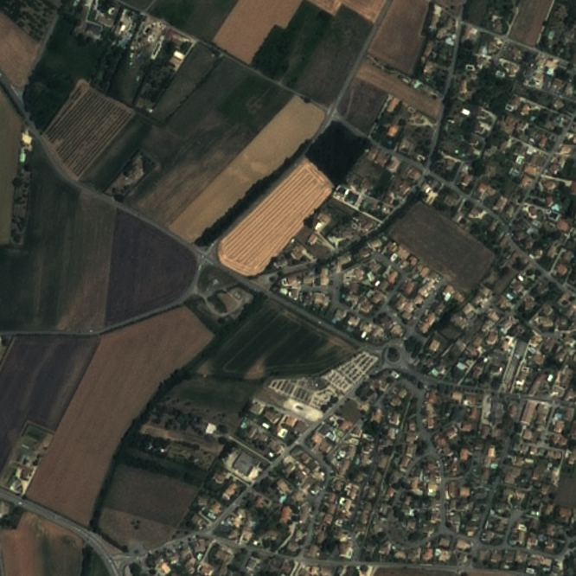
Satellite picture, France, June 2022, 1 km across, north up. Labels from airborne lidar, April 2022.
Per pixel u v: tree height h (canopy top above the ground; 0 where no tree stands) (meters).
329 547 14
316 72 0
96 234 0
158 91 6
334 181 7
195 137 0
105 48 8
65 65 0
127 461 7
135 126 0
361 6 0
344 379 0
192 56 0
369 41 0
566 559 6
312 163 8
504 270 8
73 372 0
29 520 0
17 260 0
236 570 14
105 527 0
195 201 0
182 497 0
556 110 6
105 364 0
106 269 0
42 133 5
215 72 0
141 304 0
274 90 0
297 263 8
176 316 0
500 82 9
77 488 0
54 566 0
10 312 0
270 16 0
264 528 6
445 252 0
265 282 0
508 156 9
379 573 0
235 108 0
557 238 15
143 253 0
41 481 0
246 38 0
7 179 0
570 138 0
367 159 0
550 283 6
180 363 0
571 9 8
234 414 0
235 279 0
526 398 0
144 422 12
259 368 0
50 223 0
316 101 0
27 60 0
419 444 10
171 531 0
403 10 0
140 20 8
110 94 9
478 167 14
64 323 0
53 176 0
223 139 0
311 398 0
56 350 0
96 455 0
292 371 0
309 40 0
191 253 0
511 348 0
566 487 0
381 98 0
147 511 0
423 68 10
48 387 0
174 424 15
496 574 0
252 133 0
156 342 0
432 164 6
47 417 0
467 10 6
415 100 0
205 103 0
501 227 14
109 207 0
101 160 0
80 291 0
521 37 0
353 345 0
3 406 0
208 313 0
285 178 0
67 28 0
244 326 0
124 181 0
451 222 0
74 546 0
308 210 0
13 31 0
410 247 0
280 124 0
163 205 0
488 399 0
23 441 0
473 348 0
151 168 11
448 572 0
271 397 0
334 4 0
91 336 6
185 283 0
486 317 6
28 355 0
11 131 0
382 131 11
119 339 0
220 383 0
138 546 0
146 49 0
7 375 0
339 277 0
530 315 6
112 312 0
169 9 0
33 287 0
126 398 0
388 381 10
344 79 0
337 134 5
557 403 0
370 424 9
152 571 8
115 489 0
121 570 0
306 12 0
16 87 0
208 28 0
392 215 6
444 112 8
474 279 0
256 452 0
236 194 0
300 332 0
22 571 0
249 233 0
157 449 12
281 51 7
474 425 0
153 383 0
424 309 0
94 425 0
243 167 0
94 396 0
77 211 0
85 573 12
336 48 0
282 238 0
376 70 0
